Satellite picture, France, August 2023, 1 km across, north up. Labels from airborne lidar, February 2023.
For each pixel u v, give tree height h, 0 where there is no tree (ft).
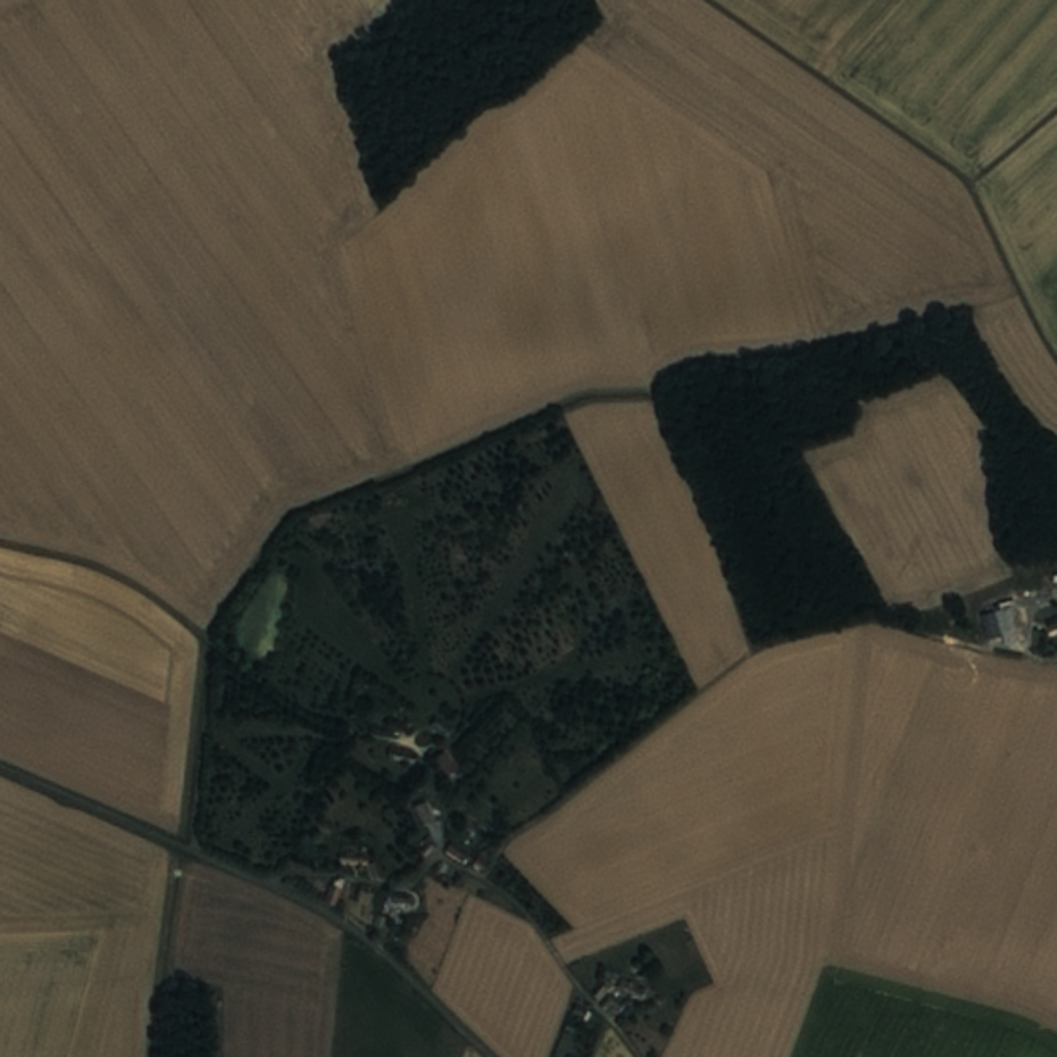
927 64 0
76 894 0
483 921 0
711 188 0
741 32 0
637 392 0
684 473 39
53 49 0
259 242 0
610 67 0
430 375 0
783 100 0
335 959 0
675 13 0
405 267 0
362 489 29
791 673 0
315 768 43
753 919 0
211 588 0
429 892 0
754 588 69
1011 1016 0
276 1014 0
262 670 30
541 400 0
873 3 0
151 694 0
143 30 0
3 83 0
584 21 49
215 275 0
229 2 0
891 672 0
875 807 0
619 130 0
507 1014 0
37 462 0
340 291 0
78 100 0
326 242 0
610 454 0
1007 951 0
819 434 81
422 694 0
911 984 0
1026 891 0
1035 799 0
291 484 0
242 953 0
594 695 28
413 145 51
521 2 76
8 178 0
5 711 0
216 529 0
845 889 0
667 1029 26
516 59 58
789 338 0
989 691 0
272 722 24
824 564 57
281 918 0
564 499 0
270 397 0
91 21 0
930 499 0
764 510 43
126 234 0
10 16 0
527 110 0
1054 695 0
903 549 0
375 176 40
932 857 0
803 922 0
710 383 62
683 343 0
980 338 45
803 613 59
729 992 0
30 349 0
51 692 0
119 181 0
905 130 0
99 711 0
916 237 0
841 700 0
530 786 0
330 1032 0
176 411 0
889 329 22
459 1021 0
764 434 50
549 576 18
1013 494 67
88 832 0
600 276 0
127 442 0
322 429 0
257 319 0
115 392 0
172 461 0
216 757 22
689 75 0
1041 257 0
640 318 0
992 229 0
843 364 49
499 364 0
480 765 25
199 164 0
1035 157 0
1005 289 0
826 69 0
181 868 0
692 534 0
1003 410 68
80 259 0
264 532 0
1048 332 0
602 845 0
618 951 0
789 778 0
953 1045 0
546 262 0
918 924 0
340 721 22
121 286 0
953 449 0
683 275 0
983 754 0
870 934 0
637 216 0
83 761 0
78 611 0
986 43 0
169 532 0
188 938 0
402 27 56
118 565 0
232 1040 0
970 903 0
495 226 0
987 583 0
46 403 0
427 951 0
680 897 0
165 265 0
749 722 0
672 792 0
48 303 0
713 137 0
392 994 0
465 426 0
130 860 0
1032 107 0
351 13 0
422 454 0
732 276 0
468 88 52
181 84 0
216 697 29
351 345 0
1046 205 0
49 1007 0
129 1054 0
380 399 0
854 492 0
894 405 0
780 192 0
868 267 0
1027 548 73
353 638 0
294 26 0
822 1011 0
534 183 0
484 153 0
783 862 0
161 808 0
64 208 0
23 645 0
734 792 0
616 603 0
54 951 0
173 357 0
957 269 0
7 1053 0
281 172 0
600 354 0
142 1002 0
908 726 0
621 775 0
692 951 0
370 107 46
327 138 0
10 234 0
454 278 0
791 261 0
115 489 0
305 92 0
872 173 0
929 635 0
